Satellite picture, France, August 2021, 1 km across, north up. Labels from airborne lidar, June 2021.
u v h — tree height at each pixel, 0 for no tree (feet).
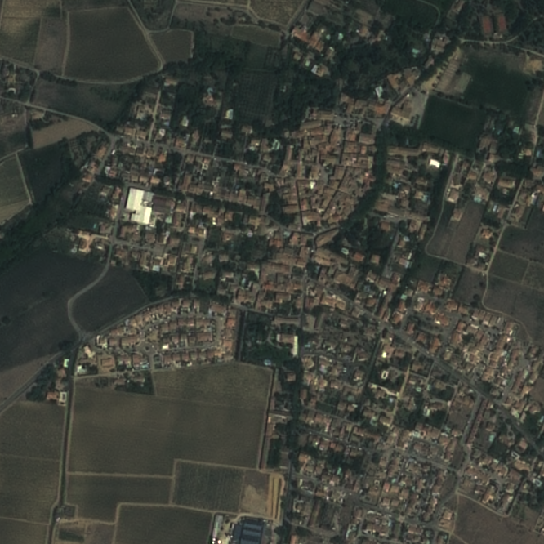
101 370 0
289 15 0
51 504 0
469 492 0
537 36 29
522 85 0
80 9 0
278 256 0
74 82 23
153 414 0
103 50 0
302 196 0
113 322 0
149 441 0
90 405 0
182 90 45
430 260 0
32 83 30
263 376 0
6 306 0
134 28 0
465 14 65
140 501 0
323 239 0
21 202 0
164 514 0
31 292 0
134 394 0
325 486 0
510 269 0
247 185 24
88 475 0
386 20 0
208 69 32
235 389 0
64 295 0
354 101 0
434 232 0
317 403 27
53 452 0
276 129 48
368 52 46
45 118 24
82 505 0
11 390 0
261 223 0
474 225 0
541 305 0
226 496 0
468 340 21
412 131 52
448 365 0
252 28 0
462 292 0
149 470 0
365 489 21
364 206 65
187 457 0
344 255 30
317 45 0
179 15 0
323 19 23
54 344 0
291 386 34
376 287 19
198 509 0
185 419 0
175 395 0
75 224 0
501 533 0
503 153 53
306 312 47
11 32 0
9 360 0
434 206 35
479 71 0
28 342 0
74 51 0
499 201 20
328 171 31
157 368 0
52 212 0
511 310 0
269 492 0
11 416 0
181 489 0
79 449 0
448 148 54
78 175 32
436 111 0
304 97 20
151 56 0
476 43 22
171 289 20
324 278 0
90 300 0
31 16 0
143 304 0
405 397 0
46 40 0
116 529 0
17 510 0
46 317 0
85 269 0
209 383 0
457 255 0
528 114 0
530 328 0
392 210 0
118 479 0
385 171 67
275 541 0
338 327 24
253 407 0
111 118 0
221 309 0
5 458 0
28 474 0
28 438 0
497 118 24
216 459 0
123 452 0
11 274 0
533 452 35
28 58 0
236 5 0
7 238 19
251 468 0
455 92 0
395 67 21
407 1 0
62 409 0
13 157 0
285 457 0
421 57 22
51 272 0
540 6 81
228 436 0
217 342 0
